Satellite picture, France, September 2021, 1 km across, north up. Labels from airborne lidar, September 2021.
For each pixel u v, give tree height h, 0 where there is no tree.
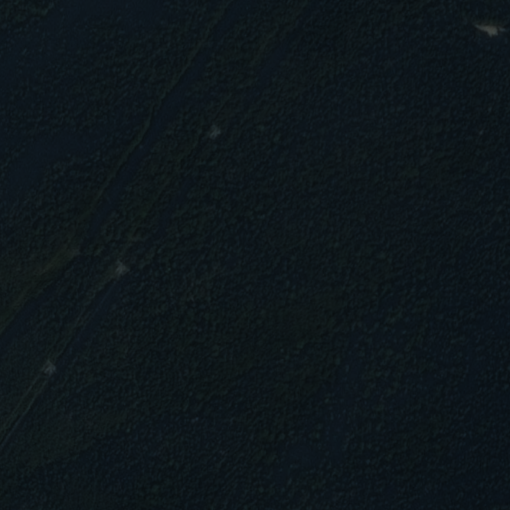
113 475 26
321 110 23
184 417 18
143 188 20
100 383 18
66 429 9
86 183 28
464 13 19
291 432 19
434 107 22
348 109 20
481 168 28
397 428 28
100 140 30
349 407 15
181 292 23
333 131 23
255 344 15
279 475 15
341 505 24
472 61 30
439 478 23
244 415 21
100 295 7
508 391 17
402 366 27
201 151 19
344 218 33
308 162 20
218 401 23
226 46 25
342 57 17
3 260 18
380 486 25
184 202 21
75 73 22
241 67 20
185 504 25
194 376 21
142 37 16
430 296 29
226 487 24
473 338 18
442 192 26
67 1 18
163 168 19
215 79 19
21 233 24
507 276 22
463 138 29
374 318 28
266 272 28
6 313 15
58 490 25
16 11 25
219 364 16
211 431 27
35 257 15
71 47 23
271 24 23
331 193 23
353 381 17
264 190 23
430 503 18
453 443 27
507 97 25
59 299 25
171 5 26
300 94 19
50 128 30
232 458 26
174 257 24
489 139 26
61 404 14
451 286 28
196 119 26
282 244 17
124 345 14
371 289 29
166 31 21
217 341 12
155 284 16
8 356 19
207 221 19
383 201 23
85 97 26
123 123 24
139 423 8
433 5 10
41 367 13
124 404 16
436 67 24
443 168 23
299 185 23
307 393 17
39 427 19
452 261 20
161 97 20
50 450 13
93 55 22
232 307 19
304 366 19
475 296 21
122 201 20
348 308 15
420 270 21
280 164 23
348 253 28
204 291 21
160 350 24
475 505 21
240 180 28
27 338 17
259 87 6
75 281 21
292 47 21
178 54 17
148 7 31
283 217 20
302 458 23
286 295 25
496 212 23
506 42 19
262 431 20
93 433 26
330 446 13
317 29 19
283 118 31
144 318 19
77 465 20
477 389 23
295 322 14
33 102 21
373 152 25
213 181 19
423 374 16
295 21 13
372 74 21
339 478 10
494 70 19
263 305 17
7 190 25
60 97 29
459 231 33
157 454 26
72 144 27
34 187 22
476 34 16
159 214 6
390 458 27
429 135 33
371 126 17
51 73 29
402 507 20
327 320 18
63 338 15
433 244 26
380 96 25
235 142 21
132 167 7
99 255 19
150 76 22
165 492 27
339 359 22
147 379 22
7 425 18
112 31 22
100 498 17
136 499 26
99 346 17
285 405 25
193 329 17
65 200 22
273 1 16
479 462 31
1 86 22
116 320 17
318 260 20
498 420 29
